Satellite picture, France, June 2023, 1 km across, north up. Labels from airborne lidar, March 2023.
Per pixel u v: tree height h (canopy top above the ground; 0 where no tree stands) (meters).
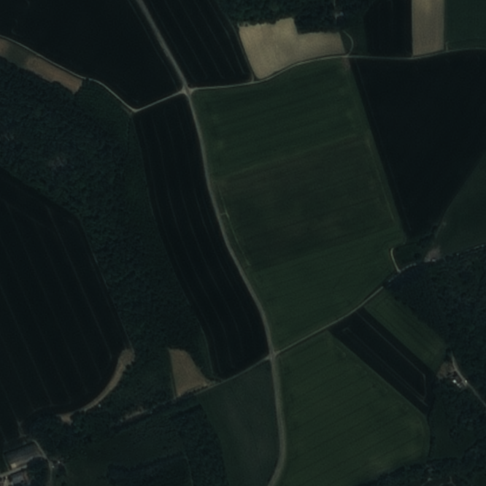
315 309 0
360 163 0
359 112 0
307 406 0
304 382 0
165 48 0
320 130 0
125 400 11
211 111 0
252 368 0
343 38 0
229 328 0
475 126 0
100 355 0
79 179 22
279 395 0
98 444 0
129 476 22
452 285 7
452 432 7
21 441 0
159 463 12
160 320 16
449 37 0
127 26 0
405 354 0
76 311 0
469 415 25
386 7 0
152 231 8
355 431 0
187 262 0
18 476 0
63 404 0
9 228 0
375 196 0
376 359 0
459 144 0
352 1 11
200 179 0
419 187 0
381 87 0
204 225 0
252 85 0
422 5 0
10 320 0
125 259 24
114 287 13
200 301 0
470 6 0
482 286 7
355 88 0
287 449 0
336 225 0
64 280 0
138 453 0
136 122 0
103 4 0
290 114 0
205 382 0
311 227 0
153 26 0
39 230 0
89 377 0
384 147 0
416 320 0
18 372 0
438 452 0
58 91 10
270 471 0
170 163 0
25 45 0
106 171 26
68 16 0
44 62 0
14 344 0
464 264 7
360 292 0
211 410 0
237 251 0
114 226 12
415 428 0
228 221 0
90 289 0
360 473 0
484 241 0
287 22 0
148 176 0
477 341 21
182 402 20
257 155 0
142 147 0
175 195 0
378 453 0
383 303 0
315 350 0
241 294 0
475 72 0
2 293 0
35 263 0
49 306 0
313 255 0
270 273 0
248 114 0
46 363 0
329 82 0
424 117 0
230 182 0
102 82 0
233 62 0
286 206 0
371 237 0
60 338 0
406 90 0
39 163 24
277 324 0
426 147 0
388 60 0
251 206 0
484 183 0
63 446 23
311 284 0
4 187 0
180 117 0
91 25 0
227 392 0
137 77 0
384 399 0
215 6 0
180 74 0
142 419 17
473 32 0
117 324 0
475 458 19
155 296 10
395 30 0
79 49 0
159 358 7
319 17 21
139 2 0
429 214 0
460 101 0
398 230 0
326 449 0
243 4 20
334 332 0
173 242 0
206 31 0
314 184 0
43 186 19
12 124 26
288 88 0
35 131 25
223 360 0
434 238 9
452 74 0
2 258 0
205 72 0
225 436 0
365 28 0
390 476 7
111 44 0
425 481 7
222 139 0
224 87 0
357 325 0
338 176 0
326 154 0
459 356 19
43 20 0
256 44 0
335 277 0
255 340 0
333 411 0
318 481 0
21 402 0
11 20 0
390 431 0
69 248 0
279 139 0
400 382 0
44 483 9
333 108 0
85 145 23
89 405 0
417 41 0
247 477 0
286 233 0
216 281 0
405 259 0
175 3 0
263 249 0
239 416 0
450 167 0
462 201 0
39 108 26
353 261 0
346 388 0
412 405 0
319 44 0
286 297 0
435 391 14
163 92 0
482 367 19
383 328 0
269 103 0
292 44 0
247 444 0
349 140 0
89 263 0
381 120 0
